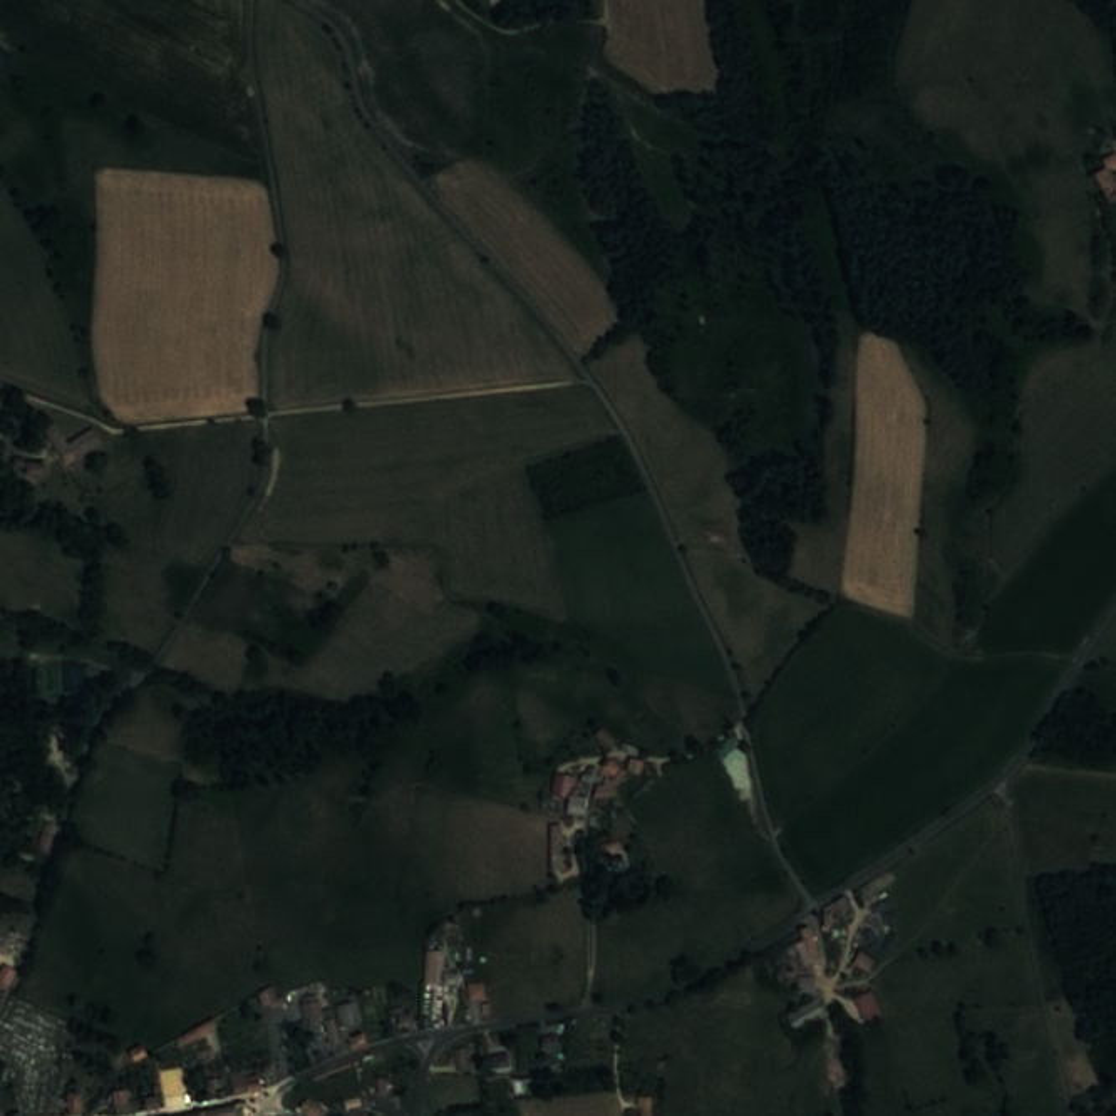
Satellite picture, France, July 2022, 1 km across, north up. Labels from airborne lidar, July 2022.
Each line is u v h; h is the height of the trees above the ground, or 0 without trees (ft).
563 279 0
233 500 0
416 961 0
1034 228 0
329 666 0
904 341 51
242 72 0
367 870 0
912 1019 0
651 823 0
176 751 0
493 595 0
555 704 0
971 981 0
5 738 77
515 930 0
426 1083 0
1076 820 0
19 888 0
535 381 0
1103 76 0
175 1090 0
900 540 0
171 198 0
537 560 0
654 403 0
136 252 0
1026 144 0
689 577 0
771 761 0
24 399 84
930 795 0
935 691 0
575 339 0
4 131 0
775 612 0
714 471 0
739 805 0
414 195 0
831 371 50
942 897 0
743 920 0
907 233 93
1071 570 0
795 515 60
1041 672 0
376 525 0
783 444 0
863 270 103
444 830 0
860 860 0
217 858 0
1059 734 48
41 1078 0
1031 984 0
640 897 23
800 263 77
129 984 0
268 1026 0
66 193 0
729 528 0
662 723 0
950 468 0
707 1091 0
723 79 36
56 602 0
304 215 0
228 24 0
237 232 0
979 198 99
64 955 0
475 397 0
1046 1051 0
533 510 0
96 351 0
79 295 0
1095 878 32
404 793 0
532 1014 0
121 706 46
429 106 0
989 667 0
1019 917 0
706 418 0
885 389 0
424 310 0
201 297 0
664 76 0
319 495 0
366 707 60
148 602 0
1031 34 0
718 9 68
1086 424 0
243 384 0
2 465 72
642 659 0
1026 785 0
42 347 0
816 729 0
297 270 0
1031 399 0
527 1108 0
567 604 0
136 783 0
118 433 0
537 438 0
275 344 0
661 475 0
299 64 0
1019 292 25
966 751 0
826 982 0
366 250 0
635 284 47
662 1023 0
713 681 0
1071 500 0
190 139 0
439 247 0
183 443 0
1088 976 24
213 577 19
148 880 0
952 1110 0
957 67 0
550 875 23
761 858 0
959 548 0
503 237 0
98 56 0
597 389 0
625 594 0
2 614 30
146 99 0
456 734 0
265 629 0
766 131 88
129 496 0
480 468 0
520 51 0
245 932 0
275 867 0
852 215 95
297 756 23
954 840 0
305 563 0
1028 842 0
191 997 0
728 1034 0
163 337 0
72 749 50
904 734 0
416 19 0
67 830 32
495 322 0
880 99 0
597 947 0
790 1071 0
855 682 0
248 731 89
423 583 0
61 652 31
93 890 0
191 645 0
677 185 0
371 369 0
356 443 0
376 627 0
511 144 0
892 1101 0
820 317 38
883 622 0
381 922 0
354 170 0
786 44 61
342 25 0
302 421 0
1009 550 0
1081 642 0
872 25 23
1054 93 0
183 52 0
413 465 0
